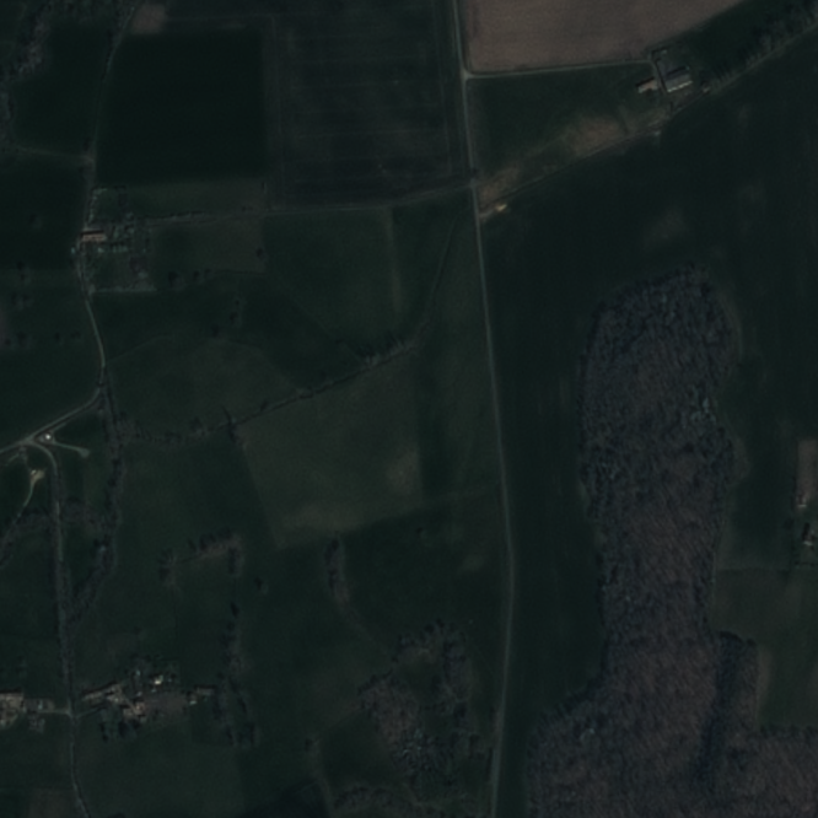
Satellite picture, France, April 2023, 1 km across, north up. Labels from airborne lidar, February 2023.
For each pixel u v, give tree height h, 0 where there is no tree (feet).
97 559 49
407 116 0
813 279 0
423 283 0
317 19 0
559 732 60
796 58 0
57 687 0
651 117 0
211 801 0
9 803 0
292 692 0
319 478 0
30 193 0
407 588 0
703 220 0
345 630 0
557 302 0
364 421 0
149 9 0
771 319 0
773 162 0
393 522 0
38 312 0
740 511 0
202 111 0
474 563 0
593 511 32
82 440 0
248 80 0
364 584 0
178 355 0
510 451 0
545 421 0
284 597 0
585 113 0
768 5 0
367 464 0
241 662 53
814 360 0
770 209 0
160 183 0
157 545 0
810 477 0
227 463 0
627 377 57
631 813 82
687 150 0
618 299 0
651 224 0
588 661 0
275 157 0
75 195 0
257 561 0
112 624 0
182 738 0
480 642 0
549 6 0
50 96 0
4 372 0
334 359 0
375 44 0
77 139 0
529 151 0
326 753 0
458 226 0
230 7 0
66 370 0
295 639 0
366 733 0
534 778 59
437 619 0
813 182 0
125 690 25
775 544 0
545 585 0
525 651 0
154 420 0
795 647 0
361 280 0
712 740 82
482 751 51
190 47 0
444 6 0
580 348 0
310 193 0
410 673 0
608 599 50
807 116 0
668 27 0
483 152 0
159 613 0
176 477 0
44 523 75
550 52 0
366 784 0
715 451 68
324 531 0
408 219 0
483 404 0
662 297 62
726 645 67
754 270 0
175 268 0
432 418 0
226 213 0
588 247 0
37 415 0
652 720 80
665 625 62
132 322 0
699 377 69
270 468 0
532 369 0
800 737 65
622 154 0
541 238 0
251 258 0
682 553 67
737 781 49
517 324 0
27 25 0
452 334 0
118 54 0
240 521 0
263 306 0
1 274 0
